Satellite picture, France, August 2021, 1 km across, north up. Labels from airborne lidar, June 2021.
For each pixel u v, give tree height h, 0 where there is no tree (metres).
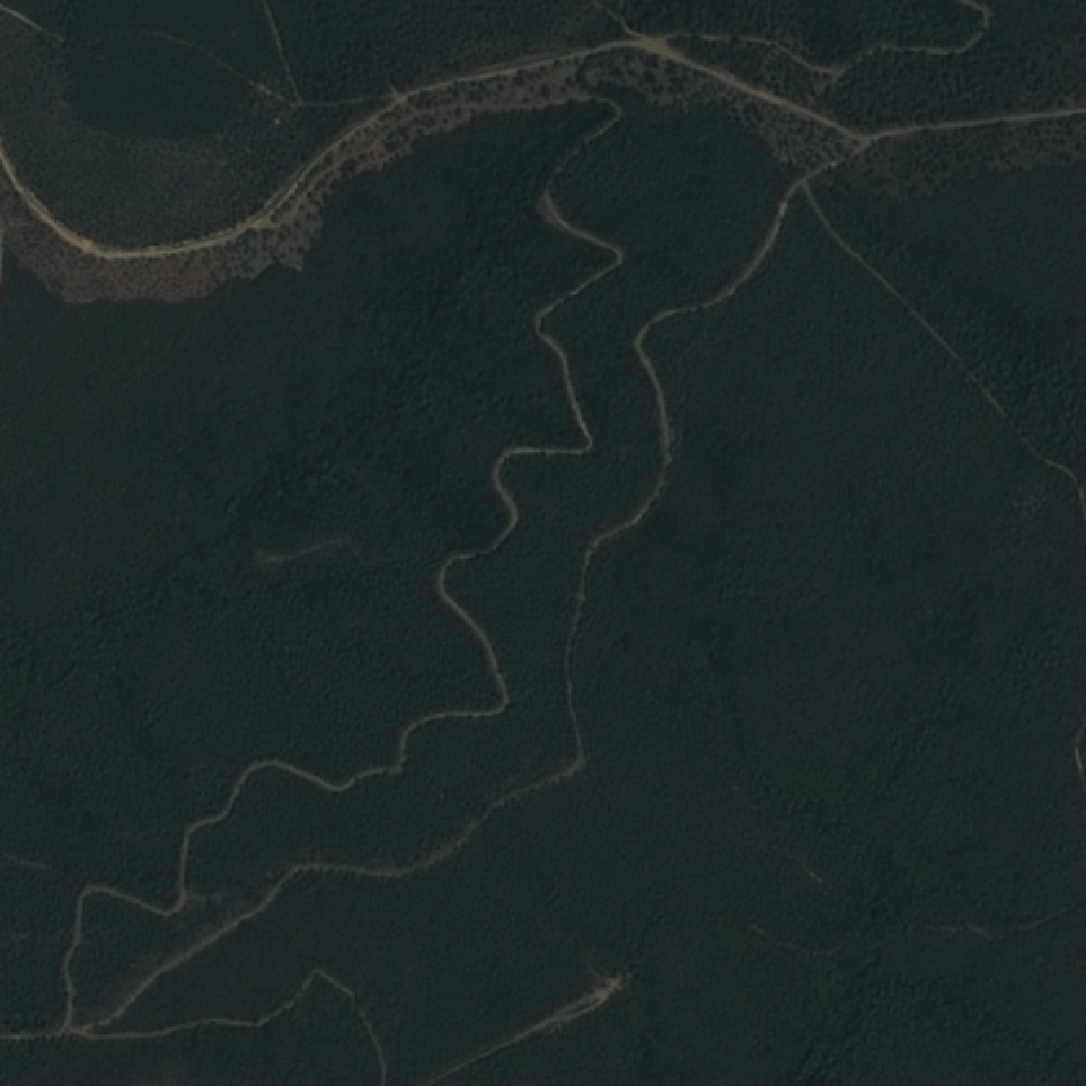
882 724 6
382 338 10
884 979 9
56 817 6
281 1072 7
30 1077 6
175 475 6
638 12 9
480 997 7
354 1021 7
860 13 6
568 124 8
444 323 10
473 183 7
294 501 7
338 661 6
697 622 6
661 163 6
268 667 7
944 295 5
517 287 5
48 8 6
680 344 6
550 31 6
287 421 6
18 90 0
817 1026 7
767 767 6
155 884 7
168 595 6
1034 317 5
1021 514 7
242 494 7
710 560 8
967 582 6
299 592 8
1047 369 14
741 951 8
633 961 9
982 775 6
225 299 6
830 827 11
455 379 7
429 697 6
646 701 7
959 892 8
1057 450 7
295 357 6
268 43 6
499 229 7
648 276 6
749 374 6
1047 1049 8
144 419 7
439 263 11
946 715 8
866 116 6
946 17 7
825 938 6
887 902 8
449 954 5
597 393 6
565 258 6
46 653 10
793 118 6
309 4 7
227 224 7
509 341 6
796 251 5
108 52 6
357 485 6
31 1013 7
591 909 6
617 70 8
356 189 7
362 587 6
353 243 6
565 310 6
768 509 5
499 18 8
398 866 7
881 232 7
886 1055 6
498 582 6
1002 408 7
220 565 8
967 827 7
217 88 6
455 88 6
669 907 7
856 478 7
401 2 5
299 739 6
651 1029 7
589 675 6
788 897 7
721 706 8
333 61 6
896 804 6
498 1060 7
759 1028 8
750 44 7
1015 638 7
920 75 7
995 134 6
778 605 5
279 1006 6
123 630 6
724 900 6
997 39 9
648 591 6
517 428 7
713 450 6
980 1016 9
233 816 8
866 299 6
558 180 8
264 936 5
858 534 7
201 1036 7
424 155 8
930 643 6
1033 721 6
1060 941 6
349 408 6
